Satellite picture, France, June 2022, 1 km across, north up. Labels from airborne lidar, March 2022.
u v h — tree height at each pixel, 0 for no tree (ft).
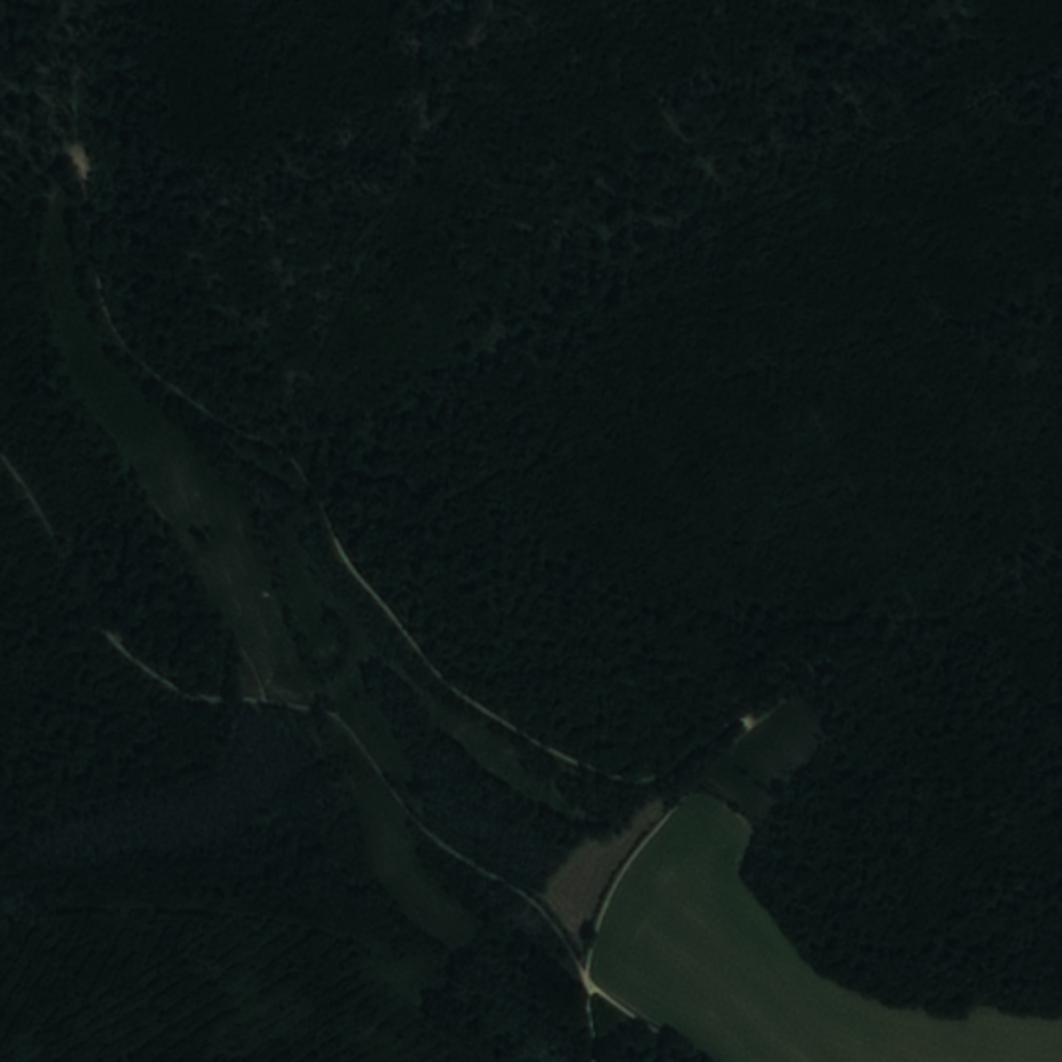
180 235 0
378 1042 0
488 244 0
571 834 59
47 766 47
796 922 60
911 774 0
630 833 0
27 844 72
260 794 61
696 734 59
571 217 0
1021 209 26
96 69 0
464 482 0
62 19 0
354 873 0
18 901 79
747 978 0
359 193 0
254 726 64
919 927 0
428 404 78
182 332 0
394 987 0
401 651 37
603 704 43
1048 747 0
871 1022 0
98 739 0
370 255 0
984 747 0
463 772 72
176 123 0
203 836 64
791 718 0
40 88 0
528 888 54
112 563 0
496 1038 34
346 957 0
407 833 0
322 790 26
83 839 62
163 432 0
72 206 0
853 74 0
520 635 0
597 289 86
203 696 0
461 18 69
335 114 0
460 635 0
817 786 0
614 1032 0
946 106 0
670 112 0
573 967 0
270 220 0
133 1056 0
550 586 52
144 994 0
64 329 0
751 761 0
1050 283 0
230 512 0
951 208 0
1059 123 60
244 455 0
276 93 0
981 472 0
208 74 0
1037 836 0
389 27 0
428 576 69
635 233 0
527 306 0
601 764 41
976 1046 0
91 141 0
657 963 0
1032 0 0
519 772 0
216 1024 0
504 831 70
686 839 0
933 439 0
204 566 0
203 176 0
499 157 67
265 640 0
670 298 32
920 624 0
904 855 58
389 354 0
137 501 0
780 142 0
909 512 0
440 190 0
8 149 78
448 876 31
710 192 78
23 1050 0
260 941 0
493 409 0
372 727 0
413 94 0
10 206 81
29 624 55
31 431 20
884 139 0
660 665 52
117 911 0
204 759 37
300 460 40
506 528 55
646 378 31
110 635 0
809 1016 0
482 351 0
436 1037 0
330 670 0
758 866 64
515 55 0
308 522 0
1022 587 0
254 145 0
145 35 0
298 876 69
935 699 48
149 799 71
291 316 0
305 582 0
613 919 0
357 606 38
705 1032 0
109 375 0
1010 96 0
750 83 0
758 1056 0
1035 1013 37
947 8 0
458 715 0
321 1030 0
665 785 47
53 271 0
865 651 65
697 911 0
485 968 62
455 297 0
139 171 0
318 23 28
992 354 0
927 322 0
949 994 0
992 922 0
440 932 0
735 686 59
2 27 92
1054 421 0
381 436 57
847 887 0
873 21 0
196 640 71
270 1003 0
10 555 19
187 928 0
